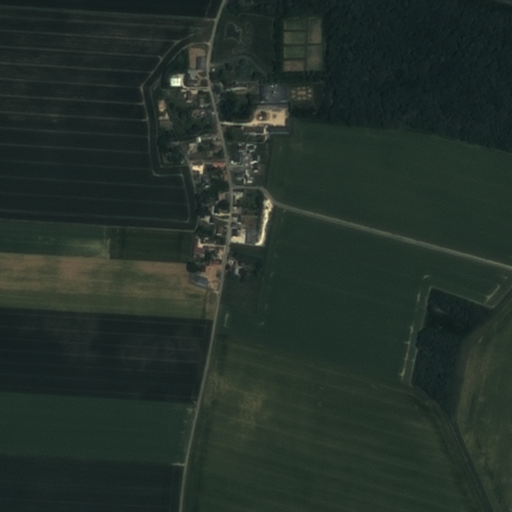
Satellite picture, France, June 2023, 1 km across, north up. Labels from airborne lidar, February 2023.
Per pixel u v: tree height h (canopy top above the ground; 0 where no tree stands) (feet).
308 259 0
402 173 0
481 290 0
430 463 0
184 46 0
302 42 0
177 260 0
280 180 0
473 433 0
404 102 76
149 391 0
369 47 77
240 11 25
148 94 0
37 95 0
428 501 0
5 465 0
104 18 0
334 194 0
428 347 51
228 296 0
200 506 0
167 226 0
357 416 0
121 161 0
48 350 0
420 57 83
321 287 0
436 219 0
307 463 0
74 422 0
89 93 0
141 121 0
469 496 0
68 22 0
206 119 38
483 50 88
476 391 0
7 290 0
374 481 0
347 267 0
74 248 0
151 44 0
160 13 0
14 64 0
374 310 0
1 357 0
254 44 0
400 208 0
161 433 0
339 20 63
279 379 0
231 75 0
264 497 0
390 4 78
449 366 48
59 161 0
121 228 0
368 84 85
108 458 0
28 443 0
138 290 0
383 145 0
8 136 0
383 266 0
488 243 0
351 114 61
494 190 0
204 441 0
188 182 0
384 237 0
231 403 0
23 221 0
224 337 0
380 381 0
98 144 0
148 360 0
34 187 0
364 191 0
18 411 0
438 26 72
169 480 0
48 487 0
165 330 0
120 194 0
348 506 0
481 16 66
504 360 0
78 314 0
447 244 0
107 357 0
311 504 0
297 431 0
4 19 0
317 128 0
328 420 0
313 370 0
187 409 0
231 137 26
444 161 0
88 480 0
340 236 0
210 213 22
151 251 0
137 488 0
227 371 0
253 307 0
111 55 0
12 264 0
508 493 0
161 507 0
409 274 0
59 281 0
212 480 0
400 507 0
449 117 63
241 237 0
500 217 0
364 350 0
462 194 0
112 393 0
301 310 0
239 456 0
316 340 0
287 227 0
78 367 0
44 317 0
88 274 0
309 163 0
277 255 0
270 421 0
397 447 0
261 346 0
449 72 86
